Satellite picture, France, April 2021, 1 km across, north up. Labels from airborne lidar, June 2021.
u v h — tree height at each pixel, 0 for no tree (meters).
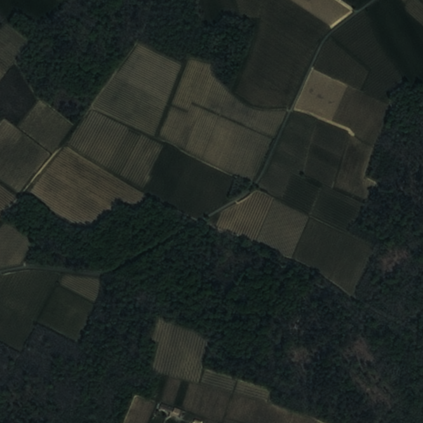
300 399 23
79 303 0
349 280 0
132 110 0
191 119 0
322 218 0
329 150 0
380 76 0
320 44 0
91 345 19
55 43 21
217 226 0
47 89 24
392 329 21
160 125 0
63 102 7
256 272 23
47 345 18
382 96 0
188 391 0
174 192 0
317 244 0
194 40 16
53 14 10
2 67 0
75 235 15
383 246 21
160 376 9
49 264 12
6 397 18
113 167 0
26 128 0
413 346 22
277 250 0
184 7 15
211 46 22
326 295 15
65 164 0
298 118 0
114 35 16
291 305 22
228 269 8
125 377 15
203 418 0
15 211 17
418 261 20
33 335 8
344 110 0
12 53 0
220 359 14
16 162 0
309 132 0
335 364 16
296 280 24
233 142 0
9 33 0
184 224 16
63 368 19
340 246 0
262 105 0
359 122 0
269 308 25
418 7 0
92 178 0
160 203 20
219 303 9
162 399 0
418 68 0
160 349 0
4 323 0
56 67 10
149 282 21
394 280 23
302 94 0
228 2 0
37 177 0
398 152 9
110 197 0
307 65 0
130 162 0
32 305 0
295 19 0
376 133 0
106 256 19
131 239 17
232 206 0
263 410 0
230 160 0
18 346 0
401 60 0
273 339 17
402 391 18
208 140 0
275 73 0
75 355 16
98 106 0
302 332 13
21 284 0
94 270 15
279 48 0
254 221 0
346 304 17
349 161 0
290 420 0
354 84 0
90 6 13
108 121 0
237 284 8
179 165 0
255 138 0
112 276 17
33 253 16
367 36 0
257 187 11
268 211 0
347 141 0
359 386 20
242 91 0
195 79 0
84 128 0
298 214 0
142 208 19
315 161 0
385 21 0
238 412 0
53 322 0
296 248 0
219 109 0
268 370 22
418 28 0
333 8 0
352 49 0
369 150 0
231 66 21
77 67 19
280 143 0
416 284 22
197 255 18
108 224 23
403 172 7
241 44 24
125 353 18
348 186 0
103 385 18
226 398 0
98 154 0
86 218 0
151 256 21
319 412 20
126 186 0
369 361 0
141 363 16
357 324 17
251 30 10
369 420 16
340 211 0
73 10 11
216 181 0
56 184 0
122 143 0
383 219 25
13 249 0
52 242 17
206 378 0
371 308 18
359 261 0
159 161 0
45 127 0
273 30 0
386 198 25
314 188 0
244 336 21
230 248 20
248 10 0
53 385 19
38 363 12
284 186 0
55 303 0
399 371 23
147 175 0
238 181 15
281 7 0
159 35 17
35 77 22
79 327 0
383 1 0
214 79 0
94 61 17
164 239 19
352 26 0
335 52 0
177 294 15
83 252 21
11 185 0
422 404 23
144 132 0
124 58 12
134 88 0
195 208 0
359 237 12
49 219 18
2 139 0
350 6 0
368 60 0
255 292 24
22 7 0
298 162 0
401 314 24
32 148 0
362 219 8
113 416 11
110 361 19
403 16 0
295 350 20
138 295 18
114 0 22
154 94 0
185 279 20
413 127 18
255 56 0
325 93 0
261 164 0
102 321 15
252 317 18
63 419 15
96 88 16
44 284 0
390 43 0
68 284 0
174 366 0
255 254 27
